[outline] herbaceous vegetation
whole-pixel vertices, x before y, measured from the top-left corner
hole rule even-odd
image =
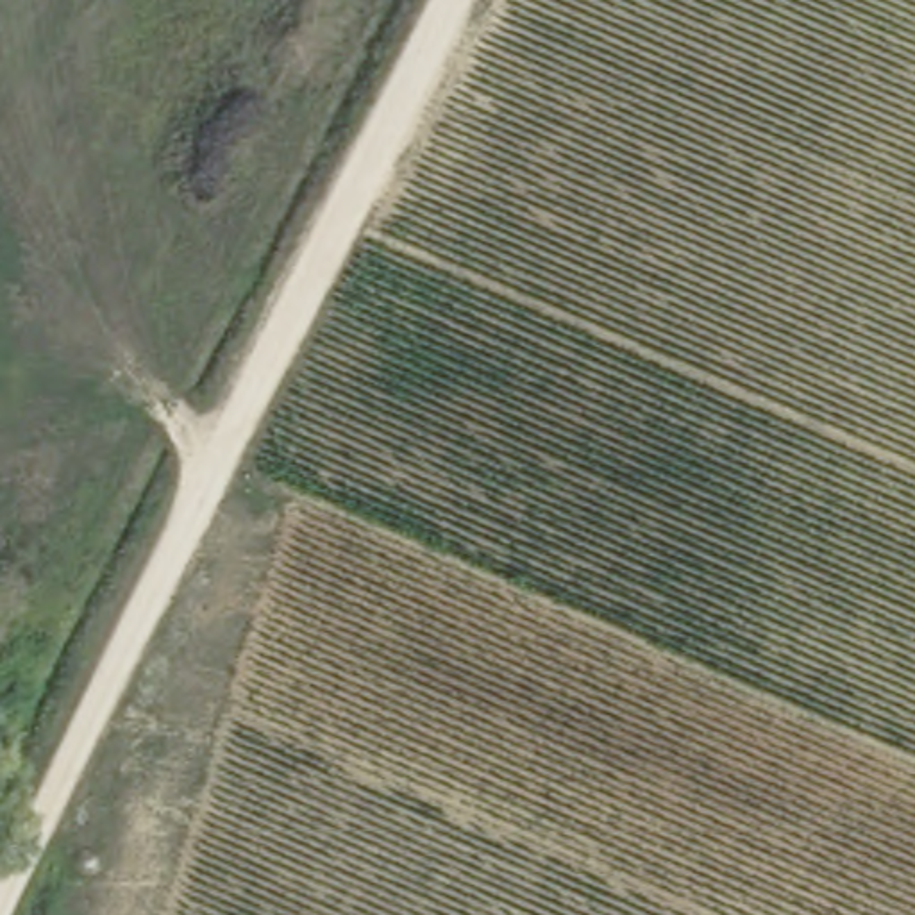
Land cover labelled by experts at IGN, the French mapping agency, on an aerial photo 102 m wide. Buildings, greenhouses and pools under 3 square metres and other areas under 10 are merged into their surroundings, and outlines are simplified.
[[[293,536],[307,493],[257,472],[257,465],[243,454],[61,811],[46,854],[36,876],[29,879],[14,915],[175,915],[182,894],[189,890],[197,844],[214,808],[232,729],[250,726],[268,740],[282,733],[282,722],[250,711],[247,686],[254,679],[272,600],[282,590],[286,568],[293,561]]]
[[[193,411],[214,411],[229,397],[232,379],[250,350],[250,340],[268,311],[268,297],[275,282],[290,272],[290,261],[304,232],[311,229],[315,211],[322,207],[382,82],[390,79],[425,0],[0,0],[0,718],[11,718],[25,729],[21,758],[43,779],[107,651],[107,640],[164,533],[175,500],[179,454],[164,425],[154,418],[154,411],[164,404],[189,404]]]

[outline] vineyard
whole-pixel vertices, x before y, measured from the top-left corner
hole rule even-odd
[[[282,590],[272,600],[254,679],[247,686],[250,711],[282,722],[282,733],[268,740],[250,726],[232,729],[214,808],[197,844],[189,890],[182,894],[175,915],[915,915],[915,0],[472,0],[461,36],[443,61],[440,82],[432,86],[422,107],[415,136],[397,154],[386,189],[368,207],[332,290],[325,293],[300,350],[293,354],[282,382],[275,386],[272,404],[261,415],[243,454],[257,465],[257,472],[307,493],[293,536],[293,561],[286,568]]]

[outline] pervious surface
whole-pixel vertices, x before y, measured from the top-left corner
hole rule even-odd
[[[397,154],[415,136],[422,107],[432,86],[440,82],[443,61],[461,36],[472,0],[425,0],[390,79],[382,82],[322,207],[315,211],[311,229],[304,232],[290,261],[290,272],[275,282],[268,297],[268,311],[250,340],[250,350],[232,379],[229,397],[214,411],[193,411],[189,404],[164,404],[154,411],[154,418],[164,425],[179,454],[175,500],[164,533],[107,640],[107,651],[43,779],[32,801],[39,815],[39,836],[29,844],[25,865],[0,879],[0,915],[14,915],[29,879],[36,876],[46,854],[61,811],[243,454],[261,415],[272,404],[275,386],[282,382],[293,354],[300,350],[325,293],[332,290],[368,207],[386,189]]]

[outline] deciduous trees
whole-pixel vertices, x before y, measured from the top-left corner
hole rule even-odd
[[[11,718],[0,718],[0,879],[25,865],[29,844],[39,836],[39,815],[32,801],[43,779],[21,758],[25,729]]]

